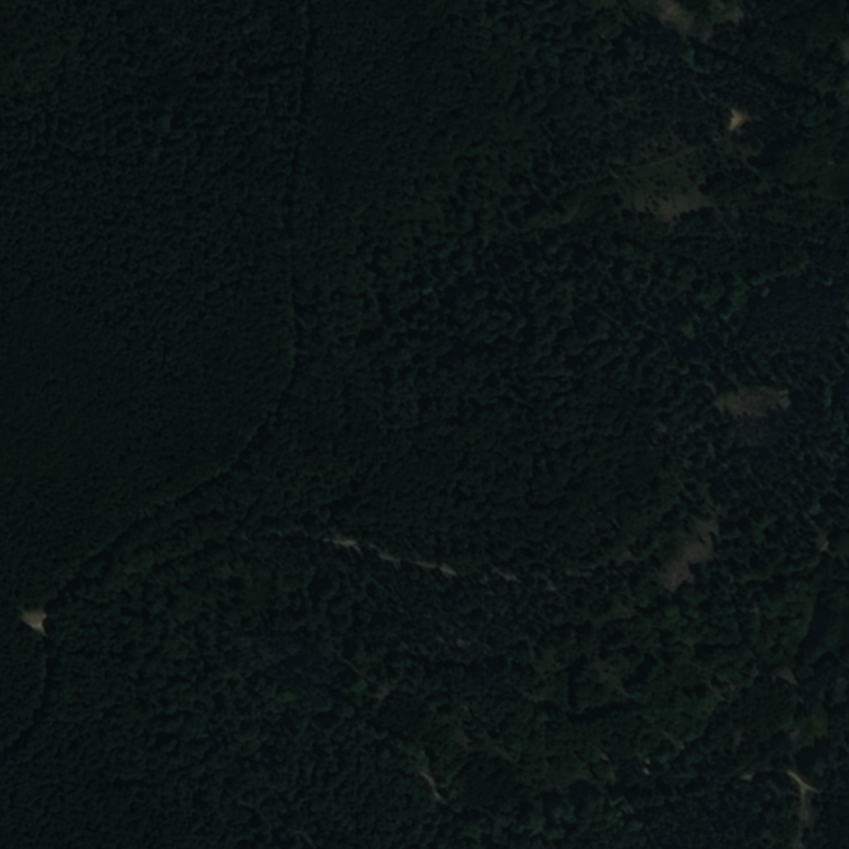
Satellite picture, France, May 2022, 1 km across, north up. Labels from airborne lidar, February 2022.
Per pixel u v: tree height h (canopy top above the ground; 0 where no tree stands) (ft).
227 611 112
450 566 102
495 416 112
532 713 97
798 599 103
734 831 45
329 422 93
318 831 98
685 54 134
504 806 105
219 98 96
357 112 72
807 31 80
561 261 110
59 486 70
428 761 105
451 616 115
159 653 114
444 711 122
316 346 91
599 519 113
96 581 101
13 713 79
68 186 91
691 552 0
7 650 83
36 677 83
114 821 76
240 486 93
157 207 81
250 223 78
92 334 78
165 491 86
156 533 114
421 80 76
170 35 103
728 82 49
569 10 114
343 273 116
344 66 79
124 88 95
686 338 34
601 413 106
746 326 80
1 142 103
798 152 108
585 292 120
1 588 69
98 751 69
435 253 78
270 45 65
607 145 120
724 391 105
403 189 112
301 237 82
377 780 94
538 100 94
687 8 114
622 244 111
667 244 32
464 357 121
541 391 110
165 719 107
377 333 116
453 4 103
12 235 91
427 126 96
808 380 118
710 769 106
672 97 76
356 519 89
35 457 65
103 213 84
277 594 117
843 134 95
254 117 80
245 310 78
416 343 120
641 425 86
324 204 75
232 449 71
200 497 112
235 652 98
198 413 77
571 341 123
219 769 102
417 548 117
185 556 111
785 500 39
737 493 129
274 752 127
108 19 93
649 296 55
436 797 94
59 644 83
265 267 87
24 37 80
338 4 76
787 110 105
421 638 132
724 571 41
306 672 124
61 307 77
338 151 73
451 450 91
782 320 99
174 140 83
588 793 96
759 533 39
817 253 75
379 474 93
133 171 92
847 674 61
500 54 129
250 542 106
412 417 79
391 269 125
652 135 72
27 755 72
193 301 92
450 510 108
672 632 108
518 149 130
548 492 113
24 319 69
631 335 102
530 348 124
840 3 53
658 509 80
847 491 110
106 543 94
